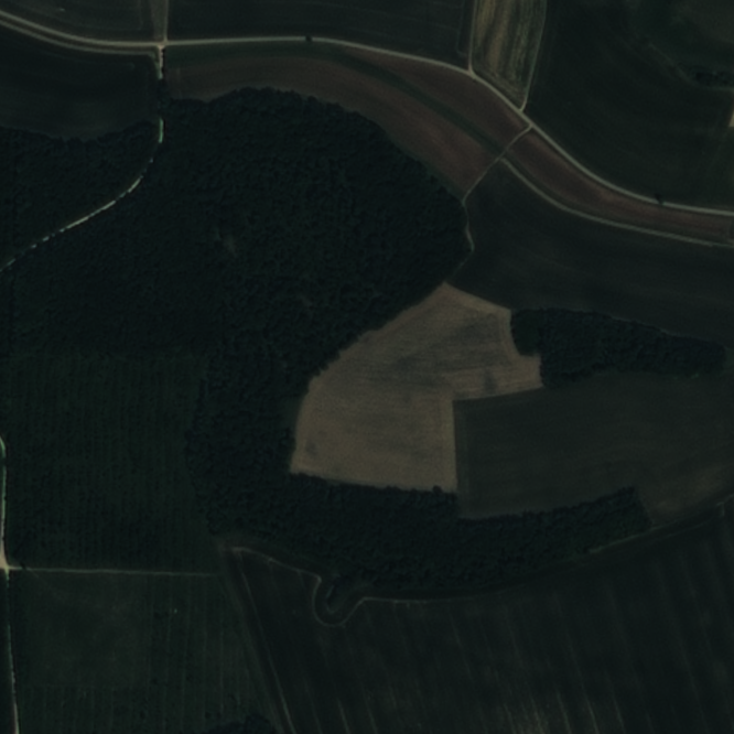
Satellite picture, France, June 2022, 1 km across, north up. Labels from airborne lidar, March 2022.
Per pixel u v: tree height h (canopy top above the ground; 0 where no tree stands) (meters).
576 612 0
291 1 0
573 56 0
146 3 0
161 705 0
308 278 0
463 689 0
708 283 0
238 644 0
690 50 0
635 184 0
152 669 0
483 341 0
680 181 0
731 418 0
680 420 0
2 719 0
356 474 0
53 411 0
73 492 0
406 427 0
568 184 0
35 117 0
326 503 0
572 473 0
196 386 0
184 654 0
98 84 0
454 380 0
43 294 0
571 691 0
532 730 0
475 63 0
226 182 0
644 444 0
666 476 0
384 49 0
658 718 0
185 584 0
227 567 0
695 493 0
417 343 0
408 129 0
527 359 0
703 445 0
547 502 0
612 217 0
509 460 0
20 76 0
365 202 22
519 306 0
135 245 0
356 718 0
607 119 0
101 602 0
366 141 21
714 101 0
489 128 0
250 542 0
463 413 0
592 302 0
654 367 18
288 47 0
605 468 0
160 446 0
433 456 0
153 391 0
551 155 0
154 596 0
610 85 0
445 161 0
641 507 14
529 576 0
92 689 0
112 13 0
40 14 0
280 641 0
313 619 0
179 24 0
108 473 0
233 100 20
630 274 0
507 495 0
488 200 0
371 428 0
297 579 0
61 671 0
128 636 0
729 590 0
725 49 0
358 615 0
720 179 0
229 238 0
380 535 0
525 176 0
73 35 0
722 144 0
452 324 0
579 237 0
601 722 0
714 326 0
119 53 0
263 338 0
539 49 0
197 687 0
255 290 0
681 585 0
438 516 22
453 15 0
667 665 0
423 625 0
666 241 0
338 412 0
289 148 20
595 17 0
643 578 0
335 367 0
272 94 18
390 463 0
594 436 0
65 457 0
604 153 0
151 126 12
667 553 0
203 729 0
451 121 0
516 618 0
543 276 0
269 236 0
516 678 0
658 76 0
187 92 0
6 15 0
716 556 0
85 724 0
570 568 0
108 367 0
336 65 0
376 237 19
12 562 0
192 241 0
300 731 0
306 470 0
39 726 0
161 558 0
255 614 0
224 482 0
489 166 0
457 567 20
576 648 0
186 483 0
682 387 0
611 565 0
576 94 0
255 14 0
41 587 0
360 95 0
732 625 0
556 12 0
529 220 0
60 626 0
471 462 0
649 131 0
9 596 0
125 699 0
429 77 0
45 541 0
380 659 0
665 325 0
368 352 0
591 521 15
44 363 0
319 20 0
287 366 0
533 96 0
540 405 0
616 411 0
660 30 0
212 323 0
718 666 0
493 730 0
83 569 0
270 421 0
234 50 0
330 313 0
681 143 0
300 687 0
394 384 0
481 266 0
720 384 0
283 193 0
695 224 0
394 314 19
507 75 0
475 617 0
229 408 0
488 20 0
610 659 0
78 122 0
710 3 0
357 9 0
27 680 0
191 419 0
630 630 0
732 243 0
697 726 0
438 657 0
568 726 0
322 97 0
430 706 0
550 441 0
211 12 0
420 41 0
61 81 0
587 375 14
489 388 0
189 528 0
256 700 0
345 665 0
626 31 0
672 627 0
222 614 0
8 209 0
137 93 0
